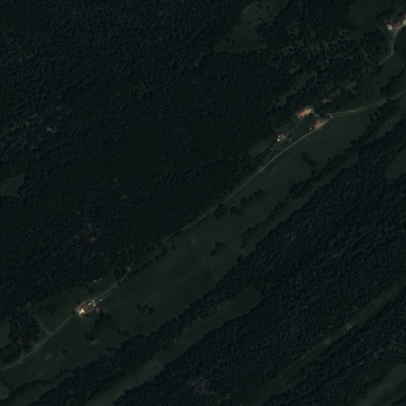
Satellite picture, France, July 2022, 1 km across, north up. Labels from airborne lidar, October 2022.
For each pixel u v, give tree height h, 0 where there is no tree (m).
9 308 15
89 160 22
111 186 28
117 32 17
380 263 8
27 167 24
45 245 8
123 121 20
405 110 0
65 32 12
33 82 21
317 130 0
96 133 27
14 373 0
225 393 13
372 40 15
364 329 10
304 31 17
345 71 13
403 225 9
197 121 21
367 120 0
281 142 0
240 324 22
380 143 23
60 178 20
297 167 0
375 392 0
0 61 10
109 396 0
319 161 0
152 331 0
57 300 0
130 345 24
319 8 18
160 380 19
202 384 32
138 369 22
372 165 23
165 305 0
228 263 0
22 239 20
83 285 10
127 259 15
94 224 25
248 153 8
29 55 22
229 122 18
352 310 16
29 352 16
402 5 6
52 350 0
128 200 10
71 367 0
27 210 19
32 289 12
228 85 20
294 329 24
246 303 0
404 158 0
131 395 29
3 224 20
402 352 16
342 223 16
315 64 18
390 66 0
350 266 25
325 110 10
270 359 20
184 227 14
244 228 0
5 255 23
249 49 0
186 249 0
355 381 14
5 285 22
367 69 13
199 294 0
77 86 20
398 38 0
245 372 15
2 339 0
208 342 24
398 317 19
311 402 21
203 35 13
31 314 6
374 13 0
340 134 0
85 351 0
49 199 19
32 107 23
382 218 15
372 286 17
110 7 19
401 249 23
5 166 22
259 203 0
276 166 0
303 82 0
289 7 12
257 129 14
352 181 24
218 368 15
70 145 26
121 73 27
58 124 11
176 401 17
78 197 23
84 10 17
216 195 14
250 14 0
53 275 20
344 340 17
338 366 21
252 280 22
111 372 21
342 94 8
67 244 23
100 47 12
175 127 16
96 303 0
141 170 20
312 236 11
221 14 16
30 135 22
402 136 23
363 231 26
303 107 14
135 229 21
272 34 19
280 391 0
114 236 23
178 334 12
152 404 24
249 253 0
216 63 14
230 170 17
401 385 0
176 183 19
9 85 22
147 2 21
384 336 8
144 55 12
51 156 26
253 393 17
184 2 15
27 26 21
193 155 16
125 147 23
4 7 19
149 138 22
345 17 16
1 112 23
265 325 24
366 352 22
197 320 22
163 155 18
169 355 0
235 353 27
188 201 21
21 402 0
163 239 12
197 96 17
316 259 8
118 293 0
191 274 0
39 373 0
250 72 21
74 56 14
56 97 24
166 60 23
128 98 22
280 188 0
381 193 16
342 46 18
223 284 12
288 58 16
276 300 20
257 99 19
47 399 22
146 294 0
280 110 17
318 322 17
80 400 18
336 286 18
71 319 0
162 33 13
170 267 0
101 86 25
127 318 0
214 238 0
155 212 22
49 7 21
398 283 6
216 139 21
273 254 25
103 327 11
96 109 26
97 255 11
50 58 18
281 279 10
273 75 16
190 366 25
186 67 19
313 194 0
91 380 19
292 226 21
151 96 14
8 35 8
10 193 0
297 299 9
